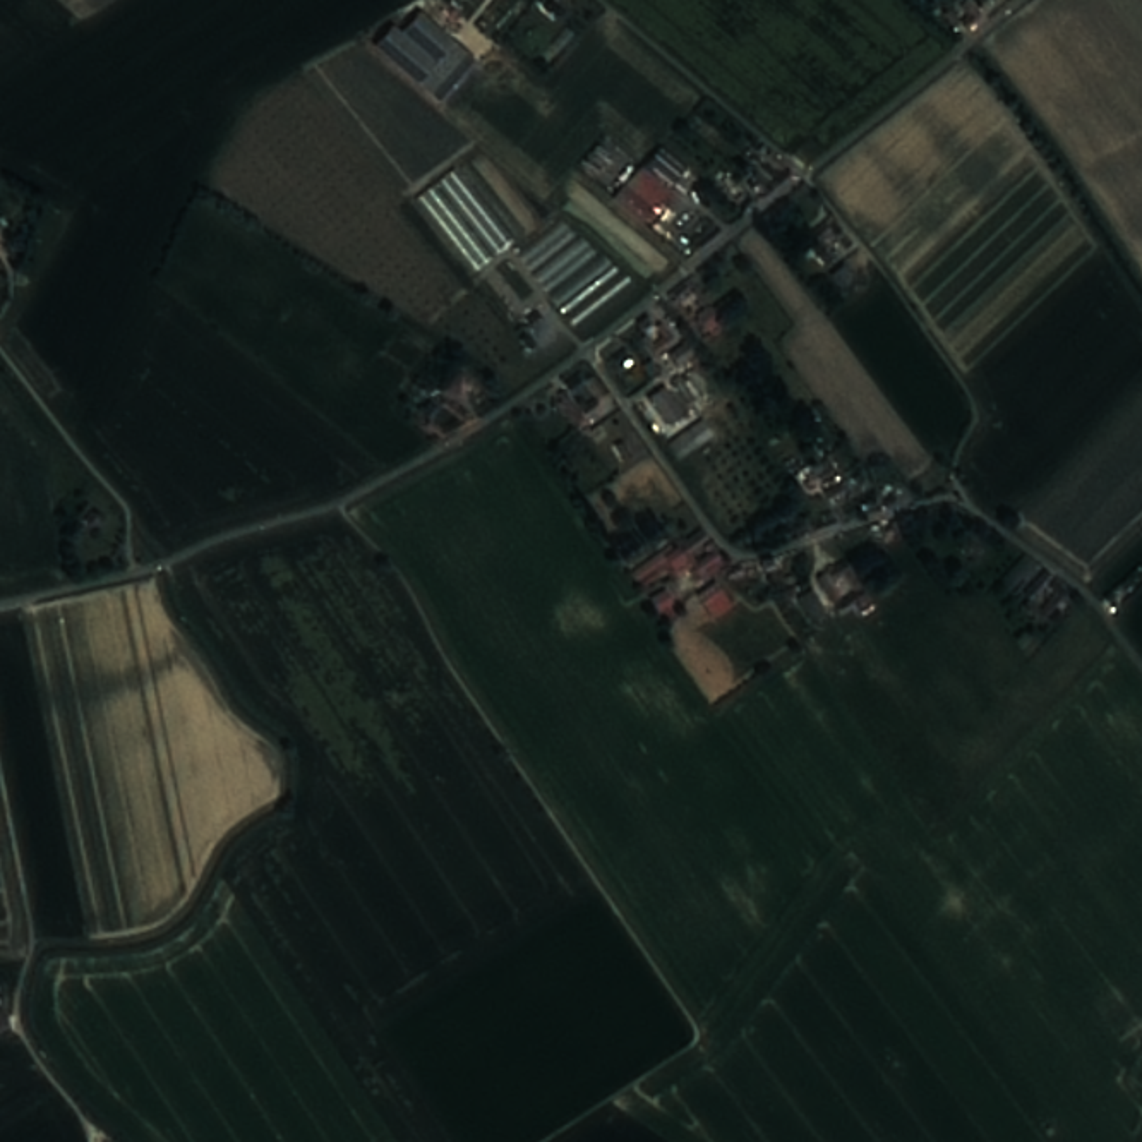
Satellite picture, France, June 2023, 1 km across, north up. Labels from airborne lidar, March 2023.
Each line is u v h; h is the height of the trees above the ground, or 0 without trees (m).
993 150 0
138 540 0
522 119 0
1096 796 0
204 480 0
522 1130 0
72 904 0
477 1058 0
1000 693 0
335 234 0
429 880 0
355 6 0
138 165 0
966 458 0
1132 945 0
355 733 0
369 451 0
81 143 0
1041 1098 0
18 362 0
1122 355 0
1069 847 0
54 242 0
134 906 0
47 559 0
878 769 0
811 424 23
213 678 0
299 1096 0
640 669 0
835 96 0
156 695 0
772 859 0
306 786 0
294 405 0
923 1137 0
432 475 0
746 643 0
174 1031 0
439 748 0
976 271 0
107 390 0
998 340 0
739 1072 0
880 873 0
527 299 0
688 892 0
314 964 0
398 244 0
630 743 0
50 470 0
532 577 0
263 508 0
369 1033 0
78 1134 0
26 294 0
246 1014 0
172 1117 0
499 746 11
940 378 0
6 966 0
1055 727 0
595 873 0
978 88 0
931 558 15
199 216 0
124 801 0
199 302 0
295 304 0
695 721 0
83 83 0
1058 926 0
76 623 0
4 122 0
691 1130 0
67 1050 0
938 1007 0
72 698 0
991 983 0
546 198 0
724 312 15
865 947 0
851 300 0
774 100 0
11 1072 0
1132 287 0
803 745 0
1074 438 0
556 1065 0
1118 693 0
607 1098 0
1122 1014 0
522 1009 0
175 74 0
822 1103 0
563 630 0
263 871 0
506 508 0
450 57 0
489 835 0
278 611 0
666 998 0
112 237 0
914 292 0
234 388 0
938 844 0
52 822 0
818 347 0
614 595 0
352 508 0
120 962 0
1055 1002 0
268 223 0
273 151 0
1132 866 0
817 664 0
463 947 0
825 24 0
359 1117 0
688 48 0
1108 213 0
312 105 0
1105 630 0
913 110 0
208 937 0
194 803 0
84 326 0
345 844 0
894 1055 0
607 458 0
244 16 0
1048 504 0
